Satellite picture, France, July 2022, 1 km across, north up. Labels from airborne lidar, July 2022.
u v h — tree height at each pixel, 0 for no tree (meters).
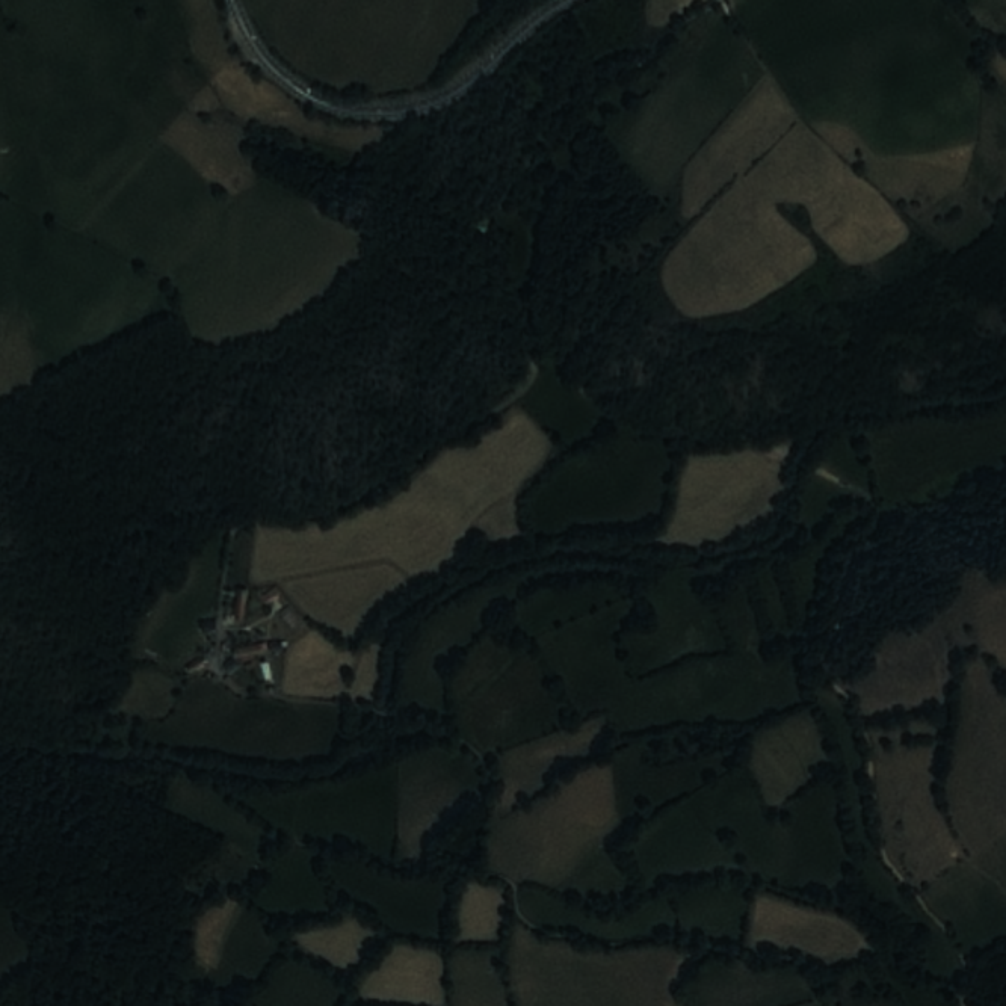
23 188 0
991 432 0
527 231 0
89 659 14
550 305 22
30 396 14
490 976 0
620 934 0
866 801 15
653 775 0
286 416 17
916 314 10
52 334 0
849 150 0
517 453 0
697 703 0
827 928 0
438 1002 0
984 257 11
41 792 23
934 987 16
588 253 15
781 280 0
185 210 0
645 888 17
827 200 0
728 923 0
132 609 23
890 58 0
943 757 17
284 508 22
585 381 9
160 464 18
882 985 15
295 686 0
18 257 0
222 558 10
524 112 19
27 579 13
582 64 18
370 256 17
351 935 0
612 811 0
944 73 0
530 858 0
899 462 0
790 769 0
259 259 0
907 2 0
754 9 0
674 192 0
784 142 0
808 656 22
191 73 0
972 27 12
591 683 0
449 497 0
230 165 0
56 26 0
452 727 16
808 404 19
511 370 12
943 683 0
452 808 0
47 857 27
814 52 0
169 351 13
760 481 0
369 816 0
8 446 7
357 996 16
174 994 22
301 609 0
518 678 0
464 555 20
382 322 12
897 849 0
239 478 20
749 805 0
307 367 11
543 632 0
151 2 0
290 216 0
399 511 0
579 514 0
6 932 0
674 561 16
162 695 0
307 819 0
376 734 17
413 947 9
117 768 21
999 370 20
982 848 0
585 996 0
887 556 24
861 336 10
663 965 0
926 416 13
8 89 0
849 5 0
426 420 13
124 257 0
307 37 0
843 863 0
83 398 18
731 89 0
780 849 0
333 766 15
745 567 20
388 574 0
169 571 21
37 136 0
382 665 12
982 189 0
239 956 0
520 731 0
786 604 8
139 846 26
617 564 13
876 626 18
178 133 0
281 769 15
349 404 13
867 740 14
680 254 0
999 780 0
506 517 0
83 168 0
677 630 0
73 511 23
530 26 0
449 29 0
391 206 11
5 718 22
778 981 0
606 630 0
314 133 0
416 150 15
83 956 28
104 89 0
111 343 14
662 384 15
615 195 17
